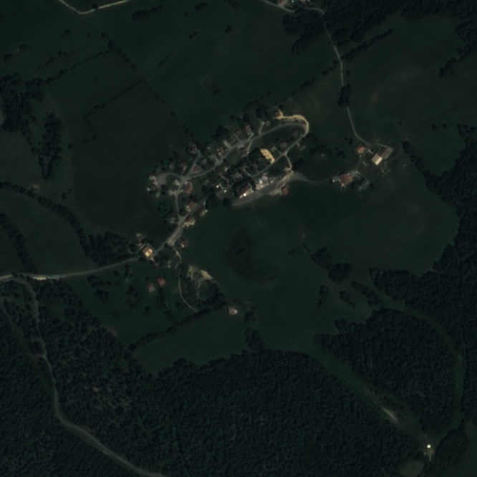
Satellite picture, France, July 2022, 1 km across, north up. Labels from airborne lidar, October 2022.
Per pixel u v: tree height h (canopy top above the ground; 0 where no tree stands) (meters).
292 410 21
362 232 0
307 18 7
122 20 0
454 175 18
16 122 24
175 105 0
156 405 21
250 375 14
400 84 0
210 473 14
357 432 22
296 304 0
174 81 0
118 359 6
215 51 0
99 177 0
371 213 0
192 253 0
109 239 17
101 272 0
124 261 11
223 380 16
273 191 0
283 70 0
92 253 24
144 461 11
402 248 0
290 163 0
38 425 15
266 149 0
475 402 12
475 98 0
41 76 0
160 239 0
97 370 17
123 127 0
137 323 0
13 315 22
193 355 0
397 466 17
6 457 19
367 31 19
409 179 0
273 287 0
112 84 0
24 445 17
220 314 0
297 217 0
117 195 0
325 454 25
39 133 0
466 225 20
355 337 24
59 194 0
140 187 0
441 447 12
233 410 12
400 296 17
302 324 0
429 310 18
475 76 0
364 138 0
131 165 0
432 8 16
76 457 14
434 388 28
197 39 0
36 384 19
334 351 30
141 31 0
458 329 14
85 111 0
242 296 0
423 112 0
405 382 24
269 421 16
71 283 0
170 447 15
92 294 0
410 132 0
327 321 0
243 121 9
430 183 15
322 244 0
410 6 16
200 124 0
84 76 0
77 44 0
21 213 0
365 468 20
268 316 0
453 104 0
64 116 0
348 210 0
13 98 7
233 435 24
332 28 20
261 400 15
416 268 0
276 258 0
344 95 14
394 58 0
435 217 0
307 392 12
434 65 0
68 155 0
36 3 0
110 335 17
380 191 0
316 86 0
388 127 0
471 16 18
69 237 0
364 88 0
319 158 0
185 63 0
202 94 0
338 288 0
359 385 0
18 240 23
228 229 0
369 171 0
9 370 17
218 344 0
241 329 0
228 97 0
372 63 0
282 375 22
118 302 0
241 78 0
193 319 17
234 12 0
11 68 0
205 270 0
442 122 0
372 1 16
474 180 16
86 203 0
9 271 0
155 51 0
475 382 15
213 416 15
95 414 18
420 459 16
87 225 0
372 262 0
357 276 0
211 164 11
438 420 22
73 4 0
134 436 31
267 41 0
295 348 0
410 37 0
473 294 13
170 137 0
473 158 24
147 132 0
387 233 0
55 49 0
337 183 0
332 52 0
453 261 21
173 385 17
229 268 0
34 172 0
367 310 0
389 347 22
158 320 0
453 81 0
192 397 17
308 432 28
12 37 0
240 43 0
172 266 0
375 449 20
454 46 0
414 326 16
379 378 21
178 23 0
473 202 26
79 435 0
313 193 0
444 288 20
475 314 20
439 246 0
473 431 0
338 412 16
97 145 0
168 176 0
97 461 14
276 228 0
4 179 0
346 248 0
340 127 0
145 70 0
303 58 0
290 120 0
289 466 20
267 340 0
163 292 14
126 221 0
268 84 0
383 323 24
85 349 21
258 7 0
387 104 0
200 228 0
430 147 0
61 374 18
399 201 0
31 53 0
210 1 0
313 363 20
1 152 0
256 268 0
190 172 0
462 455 20
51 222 0
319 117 0
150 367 0
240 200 0
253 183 19
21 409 14
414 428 0
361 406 15
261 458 17
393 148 0
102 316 0
